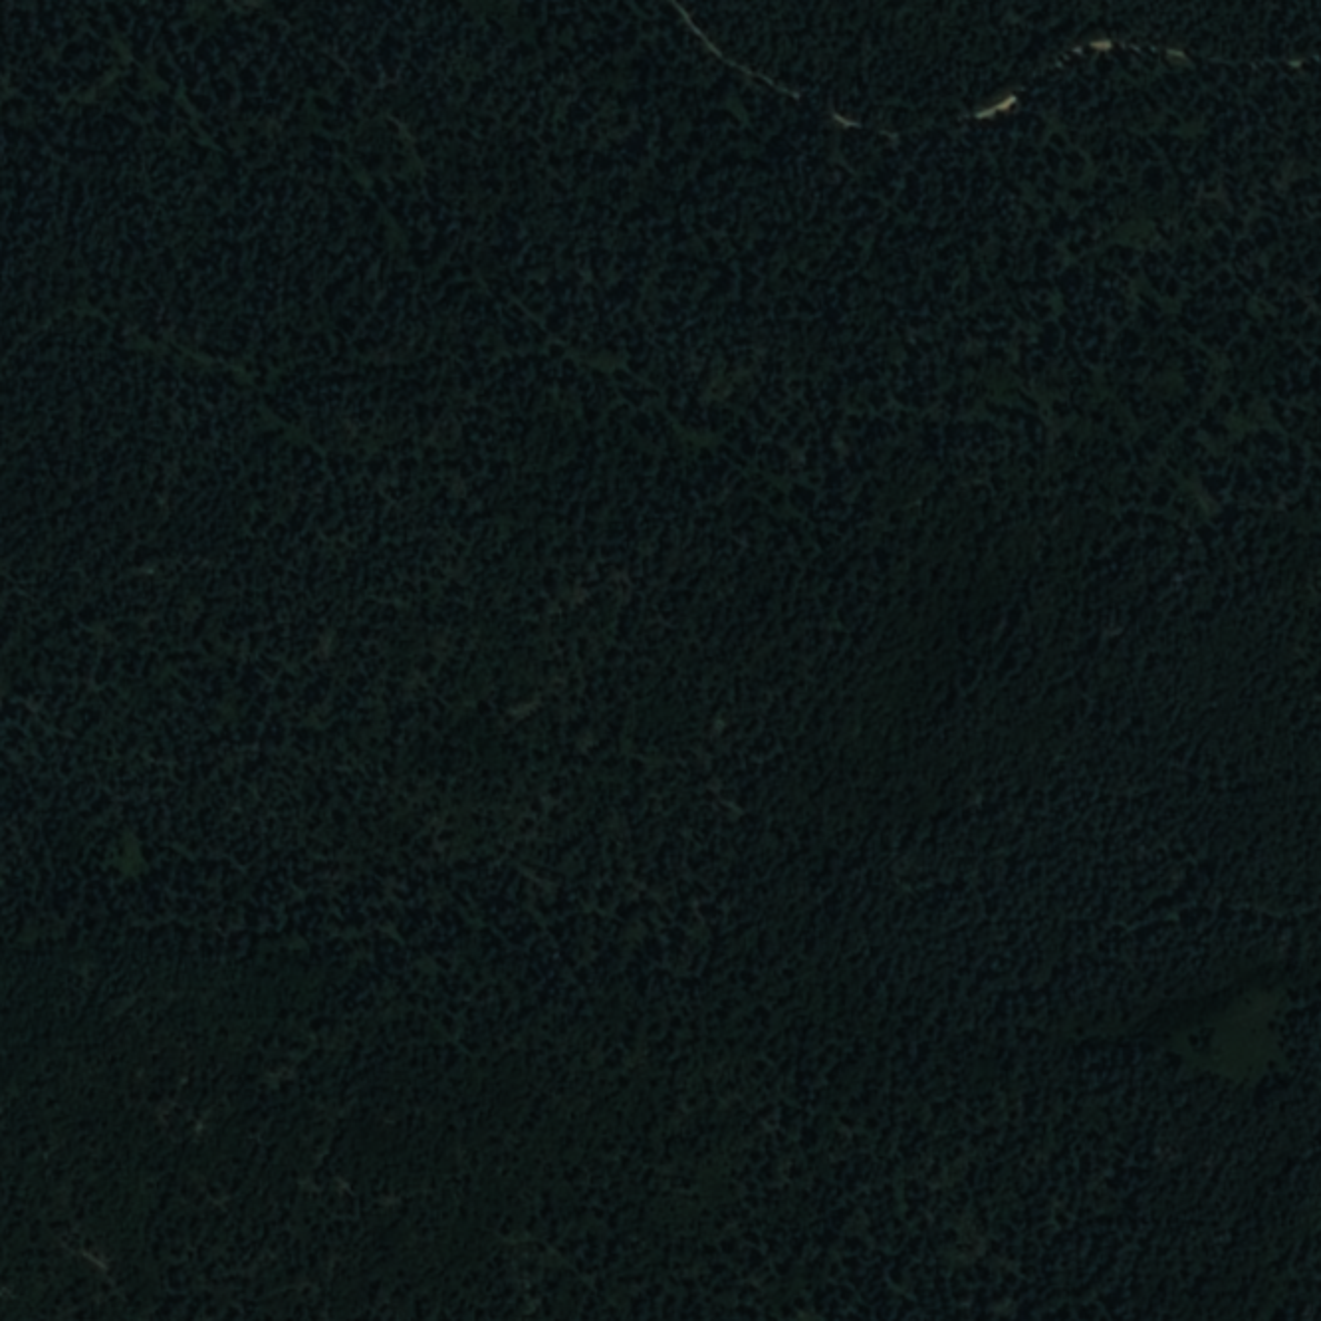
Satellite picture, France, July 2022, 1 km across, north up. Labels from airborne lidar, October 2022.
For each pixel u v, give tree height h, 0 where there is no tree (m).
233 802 14
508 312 6
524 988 30
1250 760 27
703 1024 10
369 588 17
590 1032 13
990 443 29
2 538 11
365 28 16
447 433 14
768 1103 10
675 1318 13
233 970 8
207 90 16
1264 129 17
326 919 32
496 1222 9
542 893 30
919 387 19
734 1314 13
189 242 8
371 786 23
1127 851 28
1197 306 11
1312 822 31
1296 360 32
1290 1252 31
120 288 23
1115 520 14
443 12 27
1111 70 31
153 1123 9
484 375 26
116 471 18
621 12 18
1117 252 8
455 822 11
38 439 9
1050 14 21
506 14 7
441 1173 9
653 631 11
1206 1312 29
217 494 15
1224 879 32
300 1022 17
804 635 13
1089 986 32
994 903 25
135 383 8
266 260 14
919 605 21
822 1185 18
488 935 12
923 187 36
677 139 20
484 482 10
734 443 19
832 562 16
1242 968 21
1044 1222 24
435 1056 8
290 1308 7
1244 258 33
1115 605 19
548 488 12
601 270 22
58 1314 15
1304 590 6
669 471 11
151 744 7
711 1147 8
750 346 22
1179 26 28
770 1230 15
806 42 20
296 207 20
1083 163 23
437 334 9
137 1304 16
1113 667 19
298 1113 8
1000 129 26
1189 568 32
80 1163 10
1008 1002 36
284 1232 7
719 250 30
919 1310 32
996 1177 19
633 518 18
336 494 22
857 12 22
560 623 8
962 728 21
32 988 8
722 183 11
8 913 15
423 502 11
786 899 21
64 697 21
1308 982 22
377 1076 10
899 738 16
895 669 14
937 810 8
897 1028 20
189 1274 11
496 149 17
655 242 22
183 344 8
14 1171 7
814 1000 21
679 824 16
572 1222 10
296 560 18
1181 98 8
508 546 13
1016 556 19
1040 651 30
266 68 36
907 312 8
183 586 8
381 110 15
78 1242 17
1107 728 25
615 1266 12
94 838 17
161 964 7
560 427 13
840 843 13
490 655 10
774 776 27
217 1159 10
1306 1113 33
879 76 20
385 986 26
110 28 14
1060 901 31
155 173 25
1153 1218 22
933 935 30
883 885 24
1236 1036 0
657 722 7
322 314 9
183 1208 8
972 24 16
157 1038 8
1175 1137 19
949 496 22
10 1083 7
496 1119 8
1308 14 19
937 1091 10
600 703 16
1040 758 17
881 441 29
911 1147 11
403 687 14
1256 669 28
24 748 22
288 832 19
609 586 9
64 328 8
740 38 23
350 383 18
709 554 16
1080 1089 17
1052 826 30
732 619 16
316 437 10
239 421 16
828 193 21
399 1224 9
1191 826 33
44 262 11
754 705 13
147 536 16
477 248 16
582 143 8
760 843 29
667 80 22
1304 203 13
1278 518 9
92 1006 11
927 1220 23
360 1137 10
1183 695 29
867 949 20
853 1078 11
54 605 14
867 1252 34
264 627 15
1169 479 8
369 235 10
